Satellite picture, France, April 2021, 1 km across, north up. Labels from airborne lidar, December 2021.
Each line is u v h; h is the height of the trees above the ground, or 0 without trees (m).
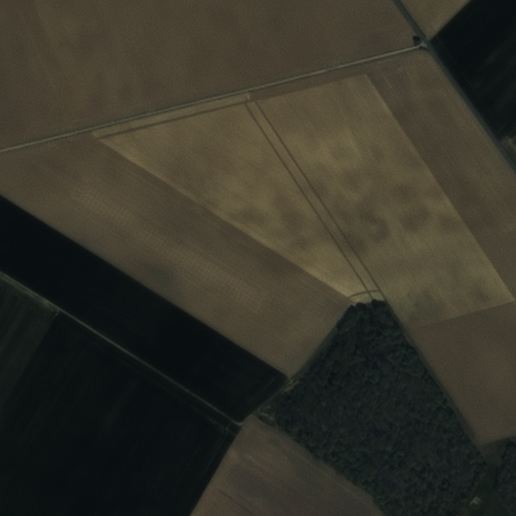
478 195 0
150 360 0
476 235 0
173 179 0
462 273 0
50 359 0
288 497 0
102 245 0
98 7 0
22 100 0
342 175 0
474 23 0
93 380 0
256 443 0
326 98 0
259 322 0
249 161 0
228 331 0
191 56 0
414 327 0
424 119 0
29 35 0
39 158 0
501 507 0
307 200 0
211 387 0
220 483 0
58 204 0
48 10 0
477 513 0
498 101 0
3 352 0
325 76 0
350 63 0
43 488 0
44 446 0
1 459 0
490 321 0
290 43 0
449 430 0
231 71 0
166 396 0
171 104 0
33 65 0
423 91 0
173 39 0
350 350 0
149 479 0
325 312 0
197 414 0
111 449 0
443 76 0
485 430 0
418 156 0
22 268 0
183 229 0
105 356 0
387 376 26
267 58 0
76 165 0
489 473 0
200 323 0
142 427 0
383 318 23
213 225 0
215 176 0
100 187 0
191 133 0
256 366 0
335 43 0
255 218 0
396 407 24
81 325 0
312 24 0
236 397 0
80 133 0
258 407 0
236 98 0
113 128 0
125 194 0
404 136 0
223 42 0
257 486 0
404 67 0
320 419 0
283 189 0
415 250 0
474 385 0
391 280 0
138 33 0
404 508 0
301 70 0
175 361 0
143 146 0
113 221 0
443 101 0
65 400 0
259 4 0
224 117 0
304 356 0
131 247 0
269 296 0
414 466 0
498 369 0
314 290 0
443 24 0
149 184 0
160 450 0
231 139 0
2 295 0
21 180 0
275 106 0
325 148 0
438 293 0
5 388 0
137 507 0
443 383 0
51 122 0
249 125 0
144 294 0
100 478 0
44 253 0
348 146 0
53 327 0
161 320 0
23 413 0
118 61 0
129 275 0
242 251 0
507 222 0
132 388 0
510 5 0
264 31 0
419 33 0
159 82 0
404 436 0
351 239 0
